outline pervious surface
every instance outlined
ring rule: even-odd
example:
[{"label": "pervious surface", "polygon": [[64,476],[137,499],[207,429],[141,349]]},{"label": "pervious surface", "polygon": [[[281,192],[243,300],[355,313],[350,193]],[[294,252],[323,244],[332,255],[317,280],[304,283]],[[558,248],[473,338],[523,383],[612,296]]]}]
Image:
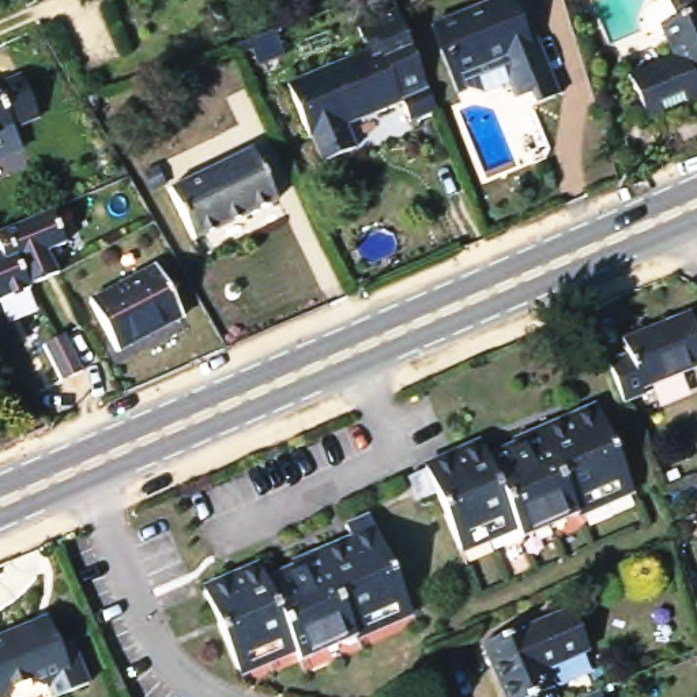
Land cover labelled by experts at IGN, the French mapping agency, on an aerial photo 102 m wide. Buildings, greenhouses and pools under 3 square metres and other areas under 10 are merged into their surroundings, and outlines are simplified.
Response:
[{"label": "pervious surface", "polygon": [[49,289],[49,297],[57,305],[60,319],[71,324],[76,316],[63,286],[54,270],[35,278],[38,283]]},{"label": "pervious surface", "polygon": [[101,16],[101,5],[95,0],[0,0],[0,71],[14,68],[8,57],[8,44],[22,35],[22,27],[41,22],[52,16],[68,16],[82,38],[90,63],[106,63],[117,54],[117,49]]},{"label": "pervious surface", "polygon": [[436,672],[441,678],[444,697],[509,697],[501,683],[496,659],[482,662],[479,648],[460,645],[419,656],[406,670],[408,675]]},{"label": "pervious surface", "polygon": [[672,436],[678,438],[681,452],[686,455],[681,460],[683,468],[697,468],[697,395],[686,395],[681,400],[656,406],[653,425],[659,425],[672,427]]}]

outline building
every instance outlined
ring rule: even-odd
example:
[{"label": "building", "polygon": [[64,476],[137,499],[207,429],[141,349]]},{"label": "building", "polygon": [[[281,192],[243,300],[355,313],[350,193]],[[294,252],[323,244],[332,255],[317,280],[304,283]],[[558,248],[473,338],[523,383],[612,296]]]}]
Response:
[{"label": "building", "polygon": [[76,370],[84,370],[84,357],[76,349],[74,338],[54,338],[49,338],[49,343],[33,357],[33,368],[52,370],[57,381]]},{"label": "building", "polygon": [[569,87],[569,74],[564,65],[561,44],[550,30],[553,0],[460,0],[452,8],[447,8],[444,16],[433,14],[430,19],[433,38],[438,44],[438,68],[425,76],[422,57],[411,38],[411,30],[395,14],[398,8],[392,0],[359,0],[359,27],[365,33],[359,52],[329,60],[321,68],[310,68],[294,76],[294,93],[289,95],[297,117],[291,131],[305,136],[308,142],[316,142],[324,158],[332,161],[340,155],[359,152],[368,144],[373,144],[362,131],[362,117],[368,112],[403,101],[408,103],[411,114],[433,112],[438,112],[452,131],[457,128],[452,103],[460,98],[466,87],[482,87],[485,71],[504,68],[512,79],[515,93],[539,95],[561,93]]},{"label": "building", "polygon": [[591,651],[596,651],[596,645],[610,623],[607,610],[602,604],[588,615],[572,615],[561,607],[547,607],[539,604],[506,623],[493,623],[482,637],[479,648],[482,662],[496,659],[501,683],[509,697],[564,697],[566,683],[558,681],[558,664],[580,653],[588,656]]},{"label": "building", "polygon": [[120,351],[120,343],[142,340],[144,335],[155,332],[174,316],[188,310],[174,278],[161,264],[161,256],[155,256],[120,278],[106,280],[98,299],[87,302],[93,319],[98,321],[114,354]]},{"label": "building", "polygon": [[188,169],[180,188],[166,185],[166,196],[174,212],[180,215],[185,234],[191,240],[207,242],[207,231],[212,226],[223,226],[237,215],[256,210],[264,201],[280,199],[283,193],[275,185],[270,163],[250,142],[242,142]]},{"label": "building", "polygon": [[329,645],[332,640],[357,634],[368,632],[398,623],[408,615],[403,610],[408,604],[408,591],[400,572],[400,561],[392,555],[387,542],[370,545],[368,539],[368,528],[373,525],[370,509],[354,515],[351,520],[351,531],[329,534],[316,545],[302,545],[286,553],[280,547],[248,547],[234,553],[231,561],[215,564],[210,572],[199,577],[199,583],[207,588],[204,599],[218,623],[218,634],[223,640],[226,653],[231,667],[242,670],[245,675],[253,675],[253,667],[278,662],[291,651],[313,653]]},{"label": "building", "polygon": [[19,68],[14,68],[0,71],[0,131],[14,125],[19,133],[25,125],[35,125],[41,112],[27,84],[27,76]]},{"label": "building", "polygon": [[54,207],[35,215],[14,218],[0,231],[0,299],[5,294],[22,291],[35,278],[54,270],[71,264],[71,248],[57,248],[57,240],[65,240],[65,229]]},{"label": "building", "polygon": [[240,49],[245,60],[250,57],[256,65],[264,68],[267,60],[286,54],[280,41],[283,33],[264,30],[248,35],[245,46]]},{"label": "building", "polygon": [[436,452],[436,457],[430,460],[430,471],[438,479],[438,485],[452,496],[455,520],[466,547],[487,545],[490,539],[504,536],[509,531],[534,531],[550,517],[599,509],[623,496],[632,496],[632,476],[618,433],[607,422],[607,417],[591,422],[588,414],[599,395],[588,389],[574,403],[569,408],[547,411],[542,422],[531,422],[517,430],[487,427],[449,444]]},{"label": "building", "polygon": [[155,174],[163,174],[166,180],[172,177],[169,163],[155,161],[139,172],[144,182]]},{"label": "building", "polygon": [[41,607],[38,613],[25,613],[11,621],[0,618],[0,697],[8,697],[14,692],[14,681],[22,678],[49,683],[57,697],[71,697],[71,683],[93,678],[82,651],[68,659],[65,643],[52,615],[46,613],[46,607]]},{"label": "building", "polygon": [[643,400],[645,389],[651,389],[656,381],[681,373],[689,365],[697,365],[697,316],[689,305],[664,310],[659,316],[648,316],[645,310],[637,313],[634,327],[623,335],[623,354],[613,365],[607,373],[613,384],[610,395],[618,403]]},{"label": "building", "polygon": [[643,52],[626,54],[629,71],[637,79],[637,84],[632,84],[634,98],[645,106],[643,117],[659,114],[667,106],[683,103],[686,98],[697,101],[697,0],[670,0],[672,16],[662,22],[664,44],[659,44],[659,54],[651,60],[643,57]]}]

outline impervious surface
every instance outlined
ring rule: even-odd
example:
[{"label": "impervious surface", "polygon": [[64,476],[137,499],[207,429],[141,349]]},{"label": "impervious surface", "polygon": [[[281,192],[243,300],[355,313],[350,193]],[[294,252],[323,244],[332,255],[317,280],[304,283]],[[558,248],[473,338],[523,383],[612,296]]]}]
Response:
[{"label": "impervious surface", "polygon": [[[634,280],[651,283],[675,270],[692,272],[689,283],[697,283],[697,158],[670,163],[640,182],[618,182],[615,191],[602,196],[591,196],[585,182],[583,133],[585,120],[591,117],[588,109],[594,103],[594,90],[585,76],[585,60],[564,0],[553,0],[550,30],[561,44],[564,65],[569,74],[569,87],[561,93],[564,101],[558,123],[558,158],[564,172],[561,191],[569,193],[569,204],[531,223],[512,226],[509,231],[490,240],[476,242],[436,267],[427,267],[398,283],[354,297],[343,291],[324,253],[305,218],[297,191],[289,188],[283,193],[280,199],[264,201],[256,210],[237,215],[223,226],[212,226],[207,231],[207,242],[210,248],[218,248],[231,237],[242,237],[261,229],[278,221],[280,215],[289,218],[291,231],[329,305],[234,346],[229,362],[201,362],[163,381],[139,387],[136,406],[109,411],[103,403],[103,392],[98,389],[98,357],[84,343],[82,327],[74,327],[74,338],[76,349],[84,357],[84,370],[76,370],[57,381],[60,389],[76,395],[79,417],[60,425],[49,425],[19,438],[11,447],[0,438],[0,610],[25,596],[33,583],[44,585],[41,607],[46,607],[46,613],[52,615],[65,643],[68,659],[82,651],[93,678],[95,678],[98,659],[87,637],[84,615],[71,602],[52,602],[54,569],[52,561],[44,555],[44,542],[49,547],[65,550],[87,604],[93,610],[101,610],[106,618],[101,634],[117,667],[117,689],[125,689],[128,697],[280,697],[261,694],[245,686],[234,686],[210,675],[201,664],[196,662],[177,645],[174,632],[169,629],[166,607],[180,599],[204,599],[207,588],[199,583],[199,577],[210,572],[215,564],[231,561],[234,553],[248,547],[280,547],[286,553],[302,545],[316,545],[329,534],[351,531],[351,520],[332,520],[327,528],[313,531],[310,536],[289,536],[283,525],[302,520],[329,504],[338,504],[343,496],[389,474],[398,474],[398,479],[411,482],[408,490],[411,498],[438,498],[444,525],[452,536],[460,561],[479,561],[482,555],[490,555],[496,550],[506,550],[512,569],[523,572],[528,569],[536,553],[547,558],[555,550],[555,536],[577,531],[583,525],[596,525],[618,512],[632,509],[632,496],[623,496],[599,509],[550,517],[534,531],[509,531],[504,536],[490,539],[487,545],[466,547],[455,520],[452,496],[438,485],[438,479],[430,471],[430,460],[436,457],[436,452],[449,444],[441,433],[441,425],[433,422],[433,406],[427,398],[395,403],[395,392],[455,362],[463,362],[485,349],[509,343],[536,329],[547,324],[558,310],[566,310],[569,299],[594,299],[618,299]],[[338,436],[327,436],[324,444],[313,444],[313,449],[286,444],[289,436],[316,427],[346,411],[362,411],[362,417],[351,427],[338,430]],[[278,460],[253,468],[248,476],[237,476],[226,485],[218,485],[212,487],[212,493],[193,493],[193,509],[201,520],[201,536],[212,542],[212,553],[201,558],[191,572],[185,572],[174,536],[166,531],[169,520],[152,520],[150,528],[133,531],[125,523],[125,509],[133,506],[142,498],[169,493],[174,485],[182,485],[196,474],[207,474],[253,449],[275,444],[280,449]]]},{"label": "impervious surface", "polygon": [[656,406],[681,400],[686,395],[697,395],[697,365],[689,365],[681,373],[656,381],[651,389],[645,389],[643,400]]},{"label": "impervious surface", "polygon": [[0,299],[0,305],[11,319],[30,316],[38,308],[33,299],[33,289],[38,283],[35,278],[22,291],[5,294]]},{"label": "impervious surface", "polygon": [[313,653],[291,651],[278,662],[253,667],[253,675],[272,675],[294,664],[299,670],[329,667],[340,653],[351,653],[359,648],[357,634],[332,640],[329,645]]},{"label": "impervious surface", "polygon": [[8,697],[57,697],[49,683],[22,678],[14,681],[14,692]]},{"label": "impervious surface", "polygon": [[250,142],[264,133],[256,106],[245,90],[229,95],[229,106],[237,117],[234,128],[174,155],[169,163],[172,177],[166,180],[166,185],[180,188],[188,169],[242,142]]},{"label": "impervious surface", "polygon": [[14,177],[25,172],[27,163],[19,133],[14,125],[0,131],[0,177]]},{"label": "impervious surface", "polygon": [[613,41],[610,19],[596,22],[599,35],[604,44],[615,46],[618,54],[626,54],[643,52],[643,57],[651,60],[659,54],[659,44],[664,44],[662,22],[672,16],[670,0],[645,0],[634,33],[618,38],[618,44]]},{"label": "impervious surface", "polygon": [[368,632],[370,643],[381,643],[408,629],[408,623],[414,621],[411,615],[408,615],[398,623]]},{"label": "impervious surface", "polygon": [[362,131],[373,144],[389,136],[403,136],[406,131],[433,133],[433,112],[411,114],[408,103],[403,101],[368,112],[362,117]]},{"label": "impervious surface", "polygon": [[[457,128],[468,150],[471,166],[482,182],[506,180],[509,174],[523,172],[545,161],[547,155],[550,144],[536,120],[539,95],[515,93],[512,79],[504,68],[485,71],[482,87],[466,87],[460,98],[452,103]],[[482,155],[466,120],[468,109],[493,112],[512,155],[504,166],[487,169],[482,163]]]},{"label": "impervious surface", "polygon": [[613,689],[613,683],[602,675],[602,667],[591,667],[588,656],[580,653],[558,664],[558,681],[566,683],[564,697],[621,697]]}]

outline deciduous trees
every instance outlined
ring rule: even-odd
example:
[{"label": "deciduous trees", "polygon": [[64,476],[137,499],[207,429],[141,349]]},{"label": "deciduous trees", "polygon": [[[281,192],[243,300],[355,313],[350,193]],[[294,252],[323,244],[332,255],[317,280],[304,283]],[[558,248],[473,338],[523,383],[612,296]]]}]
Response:
[{"label": "deciduous trees", "polygon": [[621,564],[621,572],[626,583],[626,596],[637,602],[656,596],[662,588],[659,561],[629,561]]},{"label": "deciduous trees", "polygon": [[27,411],[22,411],[16,398],[5,395],[5,381],[0,378],[0,438],[11,447],[19,438],[49,425],[46,419],[35,419]]},{"label": "deciduous trees", "polygon": [[583,381],[585,373],[607,373],[613,365],[607,362],[604,349],[596,340],[594,299],[569,299],[566,310],[558,310],[547,324],[536,329],[550,340],[553,365],[555,370],[561,370],[564,381]]},{"label": "deciduous trees", "polygon": [[441,678],[436,672],[408,675],[406,670],[387,681],[381,689],[376,689],[378,697],[444,697]]},{"label": "deciduous trees", "polygon": [[438,629],[419,648],[419,656],[460,645],[479,648],[482,637],[493,623],[493,615],[485,610],[468,618],[460,629],[452,626],[452,615],[468,599],[487,596],[487,577],[479,561],[460,561],[447,561],[441,569],[430,564],[427,580],[422,585],[422,607],[438,610]]}]

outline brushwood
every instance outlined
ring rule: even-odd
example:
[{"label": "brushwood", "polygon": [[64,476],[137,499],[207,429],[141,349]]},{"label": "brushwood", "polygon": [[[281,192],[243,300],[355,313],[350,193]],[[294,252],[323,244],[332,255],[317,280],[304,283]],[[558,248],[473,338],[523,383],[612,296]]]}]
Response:
[{"label": "brushwood", "polygon": [[44,585],[33,583],[25,596],[0,610],[0,618],[11,621],[25,613],[38,613],[41,607]]},{"label": "brushwood", "polygon": [[615,191],[618,182],[640,182],[670,163],[697,158],[697,101],[686,98],[683,103],[667,106],[659,114],[643,117],[645,106],[634,98],[632,84],[637,84],[637,79],[629,71],[626,54],[618,54],[615,46],[604,44],[599,35],[596,22],[610,19],[610,11],[599,0],[564,0],[585,60],[585,76],[594,90],[594,103],[588,109],[591,117],[607,120],[607,136],[591,155],[596,161],[610,161],[615,169],[604,177],[585,182],[591,196],[602,196]]},{"label": "brushwood", "polygon": [[656,678],[656,662],[681,664],[689,656],[697,656],[697,615],[692,607],[692,596],[686,591],[678,542],[692,545],[692,536],[697,531],[697,468],[683,468],[681,460],[686,455],[681,452],[678,438],[672,436],[672,427],[659,425],[656,436],[645,444],[645,490],[653,504],[664,501],[670,528],[667,534],[653,536],[637,547],[621,547],[629,561],[659,561],[662,588],[656,596],[670,621],[670,643],[659,643],[656,648],[651,648],[648,643],[643,643],[640,634],[621,632],[610,643],[610,648],[596,645],[596,651],[591,651],[588,656],[591,667],[602,667],[602,675],[613,683],[613,689],[621,697],[637,697],[651,694],[653,689],[675,686],[675,675]]},{"label": "brushwood", "polygon": [[207,659],[221,659],[226,653],[223,640],[218,634],[215,640],[207,640],[196,662],[201,664]]},{"label": "brushwood", "polygon": [[106,150],[114,144],[133,161],[155,144],[172,142],[180,131],[185,131],[201,114],[201,98],[212,95],[212,90],[221,84],[223,65],[240,68],[245,90],[256,106],[264,133],[267,139],[280,139],[291,131],[297,117],[280,112],[280,106],[275,103],[264,68],[256,65],[250,57],[245,60],[240,49],[245,46],[248,35],[264,30],[283,33],[291,33],[294,27],[308,27],[324,11],[324,0],[210,0],[201,5],[199,25],[193,30],[182,35],[169,35],[169,44],[161,57],[142,63],[133,74],[112,74],[106,63],[90,63],[82,38],[68,16],[52,16],[41,22],[49,30],[49,41],[57,46],[60,60],[76,57],[87,95],[98,95],[106,101],[114,93],[125,90],[125,95],[131,98],[120,112],[106,114],[109,133],[98,136],[90,144],[95,150],[101,169],[112,163]]},{"label": "brushwood", "polygon": [[54,207],[63,201],[57,185],[38,172],[35,161],[27,163],[25,172],[14,177],[0,177],[0,231],[14,218],[35,215]]},{"label": "brushwood", "polygon": [[117,49],[131,52],[133,46],[125,38],[114,0],[95,0],[101,5],[101,16]]},{"label": "brushwood", "polygon": [[362,417],[362,411],[346,411],[316,427],[289,436],[286,444],[313,449],[313,444],[324,444],[327,436],[338,436],[338,430],[351,427]]},{"label": "brushwood", "polygon": [[354,515],[370,509],[384,506],[384,498],[408,490],[411,482],[398,479],[398,474],[389,474],[343,496],[338,504],[329,504],[302,520],[283,525],[289,536],[310,536],[313,531],[327,528],[332,520],[351,520]]},{"label": "brushwood", "polygon": [[411,615],[414,621],[408,623],[408,629],[414,645],[419,648],[438,629],[438,610],[422,607],[414,607]]},{"label": "brushwood", "polygon": [[547,411],[569,408],[574,403],[574,392],[564,389],[561,384],[558,389],[542,392],[539,408]]},{"label": "brushwood", "polygon": [[133,376],[128,376],[128,365],[120,362],[114,354],[98,321],[93,319],[87,302],[74,283],[63,286],[76,316],[71,324],[74,327],[82,327],[84,343],[98,357],[98,389],[103,392],[103,403],[109,411],[136,406],[139,387]]},{"label": "brushwood", "polygon": [[35,319],[35,327],[25,338],[25,346],[33,357],[49,343],[49,338],[54,338],[46,313],[41,313],[38,308],[30,316]]},{"label": "brushwood", "polygon": [[447,193],[427,191],[425,196],[414,196],[411,201],[414,207],[425,210],[430,221],[438,221],[441,215],[447,215]]},{"label": "brushwood", "polygon": [[564,588],[547,607],[561,607],[572,615],[588,615],[602,604],[607,610],[626,596],[626,583],[621,572],[610,577],[604,591],[599,585],[585,588],[572,574],[566,574],[561,577]]},{"label": "brushwood", "polygon": [[302,174],[308,180],[324,182],[346,201],[343,221],[359,221],[381,201],[387,166],[378,158],[362,158],[359,152],[340,155],[332,161],[324,158],[319,169],[305,166]]},{"label": "brushwood", "polygon": [[545,161],[523,172],[517,191],[498,201],[485,199],[482,182],[471,166],[468,150],[457,128],[452,131],[438,112],[433,112],[433,133],[406,131],[403,136],[411,155],[417,155],[422,144],[430,147],[427,161],[441,163],[449,172],[455,188],[466,191],[468,204],[490,240],[509,231],[512,226],[531,223],[569,204],[569,193],[561,191],[564,172],[558,158],[547,155]]},{"label": "brushwood", "polygon": [[237,253],[237,248],[242,248],[242,253],[253,253],[259,245],[267,242],[267,234],[261,229],[242,237],[231,237],[218,248],[210,248],[207,267],[215,261],[215,256],[231,256]]},{"label": "brushwood", "polygon": [[253,449],[207,474],[196,474],[182,485],[174,485],[169,493],[142,498],[133,506],[139,512],[161,504],[174,504],[180,512],[193,509],[193,493],[212,493],[212,487],[218,485],[226,485],[237,476],[248,476],[253,468],[278,460],[280,449],[275,444]]},{"label": "brushwood", "polygon": [[275,681],[272,675],[253,675],[245,675],[245,686],[261,694],[280,697],[340,697],[319,689],[297,689]]},{"label": "brushwood", "polygon": [[98,659],[95,678],[98,683],[103,683],[106,697],[128,697],[125,689],[117,689],[117,667],[101,634],[106,618],[101,610],[93,610],[87,604],[65,550],[49,547],[44,542],[44,555],[52,561],[54,569],[52,602],[71,602],[84,615],[87,637]]},{"label": "brushwood", "polygon": [[362,259],[354,259],[351,250],[346,250],[340,231],[332,231],[332,248],[324,253],[343,291],[354,297],[398,283],[427,267],[436,267],[476,242],[471,234],[457,234],[444,237],[436,245],[419,245],[411,253],[395,250],[389,264],[370,264],[368,259]]}]

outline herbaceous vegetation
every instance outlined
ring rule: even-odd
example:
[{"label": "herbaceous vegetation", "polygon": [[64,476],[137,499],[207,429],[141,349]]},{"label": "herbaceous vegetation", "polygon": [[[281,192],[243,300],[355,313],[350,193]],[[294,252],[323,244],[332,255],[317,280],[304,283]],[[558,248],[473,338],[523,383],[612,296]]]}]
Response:
[{"label": "herbaceous vegetation", "polygon": [[384,506],[370,509],[373,525],[368,528],[368,539],[370,545],[387,542],[392,555],[400,561],[400,572],[408,591],[408,604],[403,610],[408,615],[411,615],[414,607],[422,607],[422,585],[427,580],[430,564],[441,569],[447,561],[460,561],[452,536],[444,525],[438,498],[411,498],[408,490],[384,498]]},{"label": "herbaceous vegetation", "polygon": [[33,357],[25,346],[25,338],[35,327],[35,319],[30,316],[11,319],[0,305],[0,378],[5,381],[5,395],[16,398],[22,411],[27,411],[35,419],[46,419],[49,425],[60,425],[79,417],[76,395],[60,389],[57,381],[52,370],[33,368]]},{"label": "herbaceous vegetation", "polygon": [[14,68],[19,68],[27,76],[27,84],[41,112],[35,125],[25,125],[19,133],[27,163],[35,161],[38,172],[57,185],[63,201],[54,207],[65,229],[65,240],[57,240],[57,248],[71,248],[71,264],[54,270],[63,286],[74,283],[87,302],[98,299],[106,280],[120,278],[155,256],[161,256],[161,264],[174,278],[188,310],[174,316],[155,332],[144,335],[142,340],[120,343],[120,351],[114,354],[120,362],[128,365],[128,376],[133,376],[139,387],[163,381],[201,362],[229,362],[234,346],[329,305],[291,231],[289,218],[280,215],[278,221],[261,229],[267,234],[267,242],[259,245],[253,253],[242,253],[242,248],[237,248],[237,253],[231,256],[215,256],[215,261],[207,267],[210,248],[207,242],[191,240],[185,234],[180,215],[174,212],[166,196],[166,185],[166,180],[163,174],[155,174],[144,182],[139,172],[155,161],[169,163],[174,155],[234,128],[237,117],[229,106],[229,95],[245,90],[240,68],[223,65],[221,84],[212,90],[212,95],[201,98],[201,114],[185,131],[180,131],[172,142],[155,144],[133,161],[114,144],[106,150],[112,163],[101,169],[95,150],[90,144],[98,136],[109,133],[106,114],[120,112],[131,98],[125,95],[125,90],[114,93],[106,101],[98,95],[87,95],[76,57],[60,60],[57,46],[49,41],[49,30],[41,22],[22,27],[22,35],[8,44],[8,57]]},{"label": "herbaceous vegetation", "polygon": [[133,46],[131,52],[117,49],[117,54],[106,63],[112,74],[133,74],[142,63],[161,57],[169,44],[169,35],[182,35],[193,30],[199,25],[201,5],[210,0],[114,0],[125,38]]},{"label": "herbaceous vegetation", "polygon": [[517,191],[523,172],[509,174],[506,180],[482,182],[485,199],[498,201]]},{"label": "herbaceous vegetation", "polygon": [[626,596],[607,610],[610,623],[596,645],[610,648],[610,643],[621,632],[640,634],[643,643],[648,643],[651,648],[656,648],[659,643],[670,643],[670,621],[656,596],[637,602]]},{"label": "herbaceous vegetation", "polygon": [[692,607],[697,615],[697,531],[692,536],[692,545],[678,542],[686,591],[692,596]]},{"label": "herbaceous vegetation", "polygon": [[177,645],[196,662],[207,640],[215,640],[218,634],[218,623],[204,599],[180,599],[166,607],[169,629],[174,632]]},{"label": "herbaceous vegetation", "polygon": [[368,632],[357,634],[359,648],[351,653],[340,653],[329,667],[299,670],[294,664],[272,675],[275,681],[297,689],[319,689],[340,697],[378,697],[376,689],[381,689],[387,681],[406,670],[419,656],[419,648],[414,645],[408,629],[381,643],[370,643]]},{"label": "herbaceous vegetation", "polygon": [[637,313],[645,310],[648,316],[659,316],[664,310],[689,305],[697,316],[697,283],[689,283],[692,272],[675,270],[651,283],[634,280],[618,299],[594,299],[596,340],[604,349],[607,362],[613,365],[623,354],[623,335],[634,327]]},{"label": "herbaceous vegetation", "polygon": [[221,659],[207,659],[201,664],[210,675],[234,686],[245,686],[245,675],[242,670],[231,667],[226,653]]},{"label": "herbaceous vegetation", "polygon": [[395,14],[411,30],[411,38],[422,57],[425,76],[438,68],[438,44],[433,38],[430,19],[433,14],[444,16],[447,8],[452,8],[460,0],[392,0],[398,8]]},{"label": "herbaceous vegetation", "polygon": [[71,324],[60,319],[57,305],[49,297],[49,289],[38,283],[33,289],[33,299],[38,308],[41,313],[46,313],[54,338],[74,338],[74,327]]},{"label": "herbaceous vegetation", "polygon": [[564,101],[561,93],[539,95],[536,120],[550,144],[547,155],[558,158],[558,123]]},{"label": "herbaceous vegetation", "polygon": [[133,506],[125,509],[125,523],[133,531],[150,528],[152,520],[169,520],[166,531],[174,536],[185,572],[191,572],[201,558],[212,553],[212,542],[201,536],[201,520],[193,509],[180,512],[174,504],[161,504],[139,512]]},{"label": "herbaceous vegetation", "polygon": [[637,697],[697,697],[697,656],[689,656],[681,664],[656,662],[656,678],[675,675],[675,686],[653,689],[651,694]]},{"label": "herbaceous vegetation", "polygon": [[[378,158],[387,166],[381,201],[359,221],[343,221],[346,201],[324,182],[308,180],[302,174],[305,166],[319,169],[324,158],[316,142],[308,142],[305,136],[291,131],[280,139],[267,139],[264,133],[250,142],[270,163],[275,185],[283,193],[289,188],[297,191],[305,218],[324,253],[332,248],[332,231],[340,231],[346,250],[351,250],[354,259],[362,259],[359,245],[365,242],[365,234],[395,234],[395,250],[411,253],[419,245],[436,245],[444,237],[457,234],[471,234],[476,242],[490,240],[468,204],[466,191],[455,188],[449,172],[441,163],[427,161],[430,147],[422,144],[417,155],[411,155],[403,136],[389,136],[373,144],[368,144],[359,152],[362,158]],[[425,210],[414,207],[411,201],[414,196],[425,196],[427,191],[447,193],[447,215],[441,215],[438,221],[430,221]]]},{"label": "herbaceous vegetation", "polygon": [[359,52],[365,33],[359,27],[359,0],[324,0],[324,11],[308,27],[294,27],[291,33],[283,33],[280,41],[286,54],[267,60],[264,68],[275,103],[280,106],[280,112],[297,117],[289,95],[294,93],[294,76],[310,68],[321,68],[329,60]]},{"label": "herbaceous vegetation", "polygon": [[610,161],[596,161],[591,155],[607,136],[607,120],[591,117],[585,120],[583,133],[585,182],[604,177],[615,169]]},{"label": "herbaceous vegetation", "polygon": [[433,422],[441,425],[441,433],[449,444],[487,427],[517,430],[531,422],[542,422],[547,411],[539,408],[542,392],[558,389],[561,384],[564,389],[574,392],[574,403],[588,389],[599,395],[588,414],[591,422],[607,417],[607,422],[618,433],[632,476],[632,496],[632,509],[618,512],[596,525],[583,525],[577,531],[555,536],[555,550],[547,558],[536,553],[528,569],[523,572],[512,569],[506,550],[496,550],[490,555],[482,555],[479,561],[487,577],[487,596],[468,599],[452,615],[452,626],[460,629],[468,618],[485,610],[493,615],[493,623],[506,623],[539,604],[547,607],[564,588],[561,577],[566,574],[572,574],[585,588],[599,585],[604,591],[610,577],[621,572],[621,564],[629,561],[621,547],[637,547],[653,536],[667,534],[670,528],[664,501],[653,504],[645,490],[645,444],[656,436],[659,425],[653,425],[656,406],[643,400],[618,403],[610,395],[613,384],[607,373],[585,373],[583,381],[564,381],[561,370],[555,370],[553,365],[550,340],[536,329],[509,343],[485,349],[463,362],[455,362],[395,392],[395,403],[427,398],[433,406]]},{"label": "herbaceous vegetation", "polygon": [[95,678],[93,678],[71,683],[71,697],[106,697],[103,683],[98,683]]}]

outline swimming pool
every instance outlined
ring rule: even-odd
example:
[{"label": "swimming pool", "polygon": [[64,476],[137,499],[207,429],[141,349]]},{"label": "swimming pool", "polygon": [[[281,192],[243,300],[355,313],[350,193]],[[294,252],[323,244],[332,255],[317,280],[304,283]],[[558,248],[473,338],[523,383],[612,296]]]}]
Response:
[{"label": "swimming pool", "polygon": [[468,109],[466,120],[482,155],[482,163],[487,169],[504,166],[512,155],[493,112]]},{"label": "swimming pool", "polygon": [[368,259],[370,264],[389,264],[395,250],[395,234],[365,234],[365,242],[359,245],[362,259]]},{"label": "swimming pool", "polygon": [[613,41],[618,44],[618,38],[634,33],[645,0],[599,0],[610,11],[610,19]]}]

